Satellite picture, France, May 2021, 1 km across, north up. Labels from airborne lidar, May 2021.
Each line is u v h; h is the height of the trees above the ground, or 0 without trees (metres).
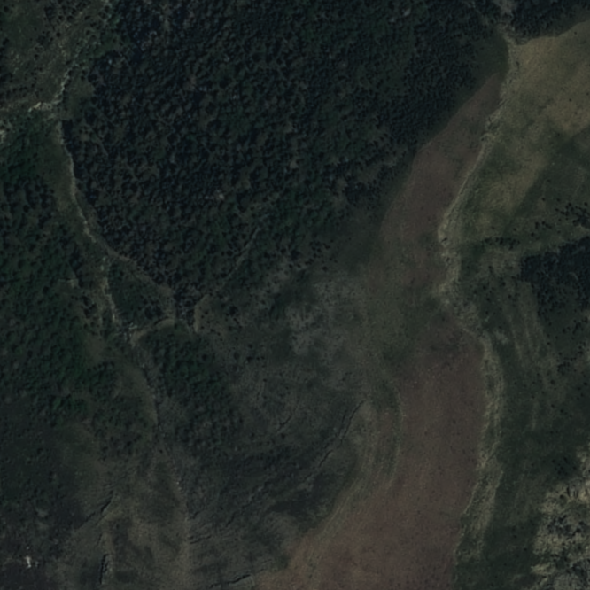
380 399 0
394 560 0
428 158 0
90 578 0
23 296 11
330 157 8
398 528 0
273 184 12
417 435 0
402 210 0
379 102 12
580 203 0
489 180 0
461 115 0
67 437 0
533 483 0
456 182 0
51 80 0
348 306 0
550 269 7
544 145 0
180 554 0
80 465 0
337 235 0
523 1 17
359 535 0
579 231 0
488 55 0
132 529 0
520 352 0
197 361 10
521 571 0
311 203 16
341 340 0
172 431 0
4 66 12
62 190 0
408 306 0
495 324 0
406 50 10
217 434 11
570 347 0
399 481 0
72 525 7
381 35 10
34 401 10
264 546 0
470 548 0
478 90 0
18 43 0
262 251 9
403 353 0
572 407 0
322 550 0
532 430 0
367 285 0
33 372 11
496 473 0
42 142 12
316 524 0
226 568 0
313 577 0
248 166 20
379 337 0
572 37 0
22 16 0
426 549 0
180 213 26
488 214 0
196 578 0
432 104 9
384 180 6
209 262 14
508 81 0
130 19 19
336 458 0
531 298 0
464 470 0
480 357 0
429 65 15
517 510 0
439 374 0
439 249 0
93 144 10
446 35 14
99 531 0
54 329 10
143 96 14
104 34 11
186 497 0
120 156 28
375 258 0
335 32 8
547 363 0
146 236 25
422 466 0
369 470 0
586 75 0
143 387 0
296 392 0
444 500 0
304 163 12
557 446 0
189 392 9
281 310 8
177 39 18
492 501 0
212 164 17
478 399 0
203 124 17
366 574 0
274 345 0
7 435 8
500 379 0
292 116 8
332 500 0
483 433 0
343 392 0
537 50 0
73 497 0
